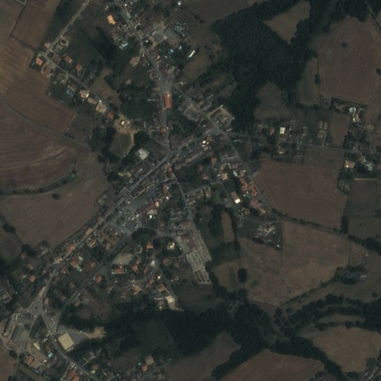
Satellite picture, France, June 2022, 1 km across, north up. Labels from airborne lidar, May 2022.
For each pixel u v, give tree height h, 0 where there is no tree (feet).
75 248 0
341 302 51
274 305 0
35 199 0
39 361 0
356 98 0
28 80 0
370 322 66
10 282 21
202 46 0
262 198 0
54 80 0
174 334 52
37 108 0
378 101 0
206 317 60
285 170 0
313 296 0
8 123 0
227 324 51
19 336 0
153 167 0
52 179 0
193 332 54
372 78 0
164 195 0
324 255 0
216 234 36
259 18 47
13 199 0
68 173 0
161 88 0
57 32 0
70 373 0
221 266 0
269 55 52
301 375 0
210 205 78
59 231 0
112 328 38
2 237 0
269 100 0
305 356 45
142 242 34
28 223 0
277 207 0
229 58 19
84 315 0
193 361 0
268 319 55
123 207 24
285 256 0
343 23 0
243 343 46
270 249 0
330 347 0
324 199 0
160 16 0
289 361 0
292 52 73
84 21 0
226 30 47
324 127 0
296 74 67
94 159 0
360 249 0
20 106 0
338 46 0
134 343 42
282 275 0
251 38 60
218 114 0
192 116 0
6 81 0
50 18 0
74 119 0
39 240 0
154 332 0
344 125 0
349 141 25
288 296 0
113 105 39
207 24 0
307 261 0
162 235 0
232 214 47
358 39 0
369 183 0
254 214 49
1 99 0
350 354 0
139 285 0
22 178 0
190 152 0
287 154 34
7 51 0
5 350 0
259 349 25
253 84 19
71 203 0
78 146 0
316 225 29
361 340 0
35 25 0
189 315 62
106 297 0
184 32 0
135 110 0
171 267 21
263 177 0
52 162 0
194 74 0
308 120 0
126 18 0
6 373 0
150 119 18
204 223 0
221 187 0
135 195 0
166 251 22
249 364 0
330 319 0
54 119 0
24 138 0
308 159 0
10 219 0
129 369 0
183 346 42
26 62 0
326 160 0
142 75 0
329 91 0
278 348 46
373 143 0
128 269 28
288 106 23
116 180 43
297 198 0
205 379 0
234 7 0
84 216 0
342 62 0
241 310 60
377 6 27
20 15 0
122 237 0
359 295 0
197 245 0
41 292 0
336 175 0
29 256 57
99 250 44
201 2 0
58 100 0
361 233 0
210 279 41
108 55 45
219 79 0
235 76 50
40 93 0
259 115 0
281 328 101
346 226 56
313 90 0
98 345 43
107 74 0
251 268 0
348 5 62
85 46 0
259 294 0
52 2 0
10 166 0
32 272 34
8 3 0
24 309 0
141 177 0
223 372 57
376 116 0
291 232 0
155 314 71
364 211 0
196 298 0
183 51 29
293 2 24
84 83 0
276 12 39
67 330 0
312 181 0
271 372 0
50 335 0
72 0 19
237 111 70
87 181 0
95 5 0
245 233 0
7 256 0
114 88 32
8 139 0
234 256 0
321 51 0
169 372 0
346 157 31
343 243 0
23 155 0
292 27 0
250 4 0
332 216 0
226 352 0
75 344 0
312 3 76
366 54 0
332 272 0
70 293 38
